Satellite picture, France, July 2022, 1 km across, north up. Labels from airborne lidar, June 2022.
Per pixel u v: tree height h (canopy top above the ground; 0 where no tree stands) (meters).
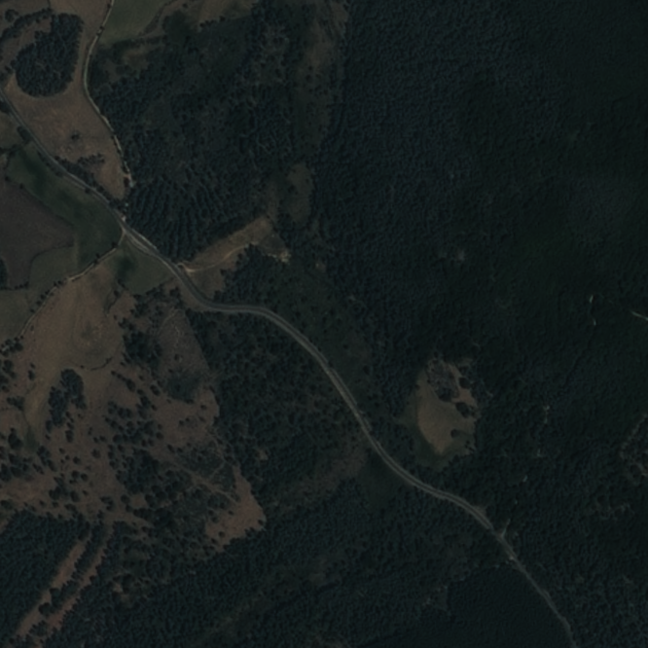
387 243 21
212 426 0
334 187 21
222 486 0
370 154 18
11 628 18
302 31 0
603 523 9
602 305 15
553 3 14
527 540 15
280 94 6
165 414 0
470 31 16
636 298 16
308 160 8
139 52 0
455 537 11
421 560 9
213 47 0
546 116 14
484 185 9
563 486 12
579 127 12
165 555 18
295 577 8
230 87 7
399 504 13
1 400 0
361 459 0
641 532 15
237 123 8
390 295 15
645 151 20
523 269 10
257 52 14
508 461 17
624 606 21
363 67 12
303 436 17
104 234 0
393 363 15
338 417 14
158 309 7
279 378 16
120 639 16
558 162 11
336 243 15
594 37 13
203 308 0
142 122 6
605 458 18
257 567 15
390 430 11
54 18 10
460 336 8
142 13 0
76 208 0
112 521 0
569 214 19
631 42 11
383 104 19
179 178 0
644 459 12
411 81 21
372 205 17
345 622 17
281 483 15
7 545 18
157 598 18
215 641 9
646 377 11
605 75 12
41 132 0
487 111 12
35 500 0
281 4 0
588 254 12
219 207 14
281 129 13
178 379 0
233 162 13
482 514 0
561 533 14
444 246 17
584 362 12
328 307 0
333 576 11
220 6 0
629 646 23
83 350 0
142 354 14
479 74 15
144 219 14
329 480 0
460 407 12
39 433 0
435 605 7
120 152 9
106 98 9
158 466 15
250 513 0
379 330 7
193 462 0
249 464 16
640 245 22
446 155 13
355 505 15
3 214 0
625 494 16
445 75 21
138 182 17
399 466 0
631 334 11
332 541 18
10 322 0
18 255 0
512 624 19
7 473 18
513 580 18
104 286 0
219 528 0
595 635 16
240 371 7
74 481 8
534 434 12
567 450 16
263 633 21
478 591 15
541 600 16
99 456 6
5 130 0
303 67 0
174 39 0
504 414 9
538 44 14
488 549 11
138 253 0
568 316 16
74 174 10
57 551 14
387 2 20
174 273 0
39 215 0
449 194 17
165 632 15
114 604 9
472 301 8
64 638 13
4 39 12
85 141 0
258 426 15
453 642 17
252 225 0
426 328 16
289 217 12
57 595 15
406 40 17
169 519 12
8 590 15
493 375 15
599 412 13
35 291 0
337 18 0
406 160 18
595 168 14
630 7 13
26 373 0
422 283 14
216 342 0
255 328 12
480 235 7
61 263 0
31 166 0
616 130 18
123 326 14
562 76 15
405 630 13
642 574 11
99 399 0
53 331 0
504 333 11
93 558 14
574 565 9
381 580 19
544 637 19
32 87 19
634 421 11
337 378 0
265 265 11
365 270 16
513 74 13
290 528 15
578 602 18
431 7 20
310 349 0
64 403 16
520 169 11
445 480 9
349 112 17
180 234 15
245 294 10
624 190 14
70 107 0
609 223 16
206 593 17
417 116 17
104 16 0
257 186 9
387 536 14
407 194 14
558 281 14
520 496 11
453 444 0
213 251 0
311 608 18
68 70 15
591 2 13
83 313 0
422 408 0
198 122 14
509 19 16
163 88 11
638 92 15
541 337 7
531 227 11
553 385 7
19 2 0
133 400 0
